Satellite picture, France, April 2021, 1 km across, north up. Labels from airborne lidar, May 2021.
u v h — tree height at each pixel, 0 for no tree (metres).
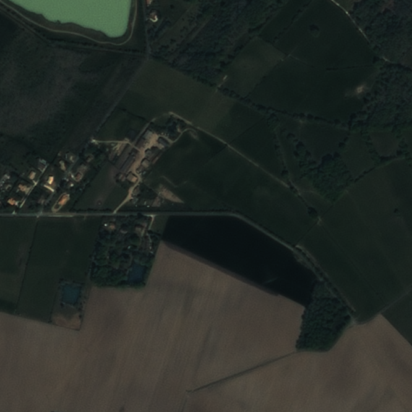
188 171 0
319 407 0
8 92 9
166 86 0
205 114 0
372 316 0
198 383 0
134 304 0
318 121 13
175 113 0
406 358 0
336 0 0
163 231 0
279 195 0
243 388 0
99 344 0
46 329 0
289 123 0
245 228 0
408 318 0
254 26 17
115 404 0
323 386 0
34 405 0
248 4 13
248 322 0
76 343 0
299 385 0
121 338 0
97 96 0
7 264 0
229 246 0
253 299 0
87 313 0
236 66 0
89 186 7
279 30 0
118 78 0
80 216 0
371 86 0
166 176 0
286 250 0
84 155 8
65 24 0
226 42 12
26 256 0
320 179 22
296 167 0
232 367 0
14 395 0
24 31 10
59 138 7
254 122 0
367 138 19
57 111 8
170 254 0
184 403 0
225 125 0
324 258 0
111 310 0
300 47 0
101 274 22
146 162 0
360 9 18
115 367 0
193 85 0
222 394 0
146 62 0
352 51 0
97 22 0
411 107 18
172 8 9
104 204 0
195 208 0
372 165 0
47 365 0
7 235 0
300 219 0
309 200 0
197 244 0
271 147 0
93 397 0
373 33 14
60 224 0
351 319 15
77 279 0
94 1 0
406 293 0
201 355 0
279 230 0
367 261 0
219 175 0
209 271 0
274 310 0
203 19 13
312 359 0
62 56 12
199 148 0
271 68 0
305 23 0
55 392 0
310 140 0
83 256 0
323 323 19
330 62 0
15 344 0
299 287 0
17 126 12
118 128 0
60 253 0
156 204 0
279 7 9
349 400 0
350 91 0
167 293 0
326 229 0
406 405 0
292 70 0
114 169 0
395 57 14
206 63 20
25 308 0
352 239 0
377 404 0
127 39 0
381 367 0
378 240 0
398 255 0
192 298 0
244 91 0
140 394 0
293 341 0
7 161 7
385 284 0
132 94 0
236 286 0
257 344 0
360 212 0
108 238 19
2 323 0
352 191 0
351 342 0
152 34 8
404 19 15
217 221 0
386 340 0
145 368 0
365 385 0
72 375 0
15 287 0
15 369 0
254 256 0
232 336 0
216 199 0
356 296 0
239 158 0
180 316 0
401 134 18
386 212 0
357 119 17
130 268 7
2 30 0
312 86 0
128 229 11
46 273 0
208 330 0
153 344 0
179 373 0
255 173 0
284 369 0
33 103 13
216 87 14
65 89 10
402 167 0
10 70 10
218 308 0
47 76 10
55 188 0
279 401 0
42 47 9
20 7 0
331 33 0
